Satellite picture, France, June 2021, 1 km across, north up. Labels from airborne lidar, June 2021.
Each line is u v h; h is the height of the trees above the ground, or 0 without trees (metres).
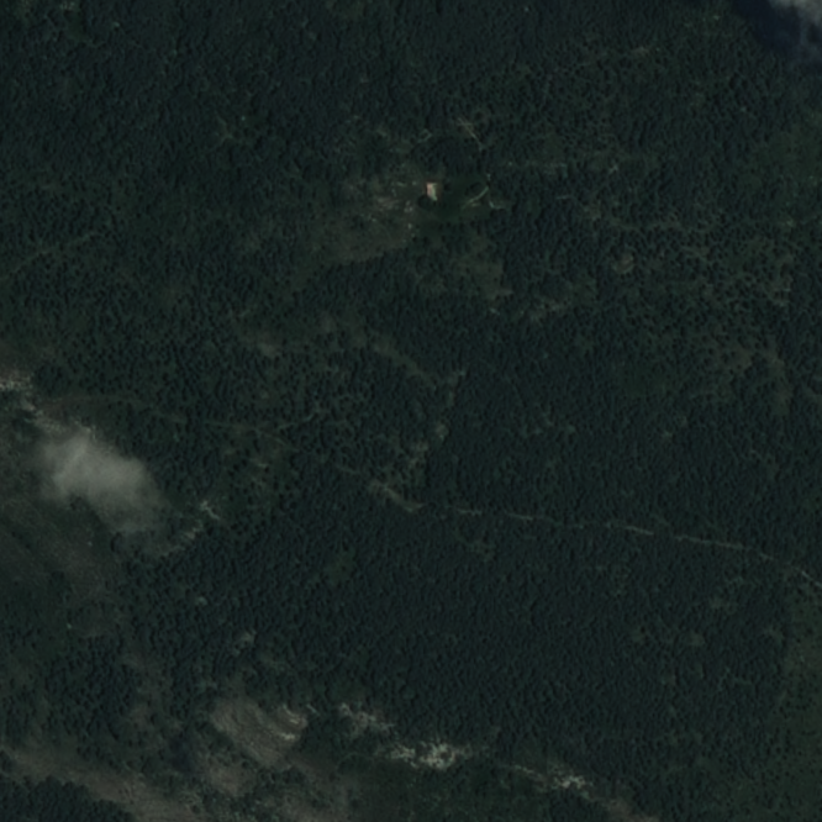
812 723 0
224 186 11
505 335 13
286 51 13
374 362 8
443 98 10
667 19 8
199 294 9
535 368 12
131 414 12
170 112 12
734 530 8
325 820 0
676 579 15
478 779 0
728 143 14
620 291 14
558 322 8
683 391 8
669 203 10
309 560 13
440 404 10
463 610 12
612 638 12
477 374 11
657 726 14
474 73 11
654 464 10
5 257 9
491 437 12
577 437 12
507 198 10
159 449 13
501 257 8
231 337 8
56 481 6
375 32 13
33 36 15
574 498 7
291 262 8
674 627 7
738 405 11
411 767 0
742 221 7
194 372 15
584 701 12
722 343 7
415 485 9
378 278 14
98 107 9
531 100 12
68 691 12
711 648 12
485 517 13
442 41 18
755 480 11
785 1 12
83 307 11
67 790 9
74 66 14
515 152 8
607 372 10
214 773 0
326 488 15
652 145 9
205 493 6
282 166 10
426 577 13
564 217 10
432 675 12
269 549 13
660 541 13
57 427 0
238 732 0
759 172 6
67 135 13
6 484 0
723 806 10
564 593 11
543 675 12
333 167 9
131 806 0
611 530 7
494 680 13
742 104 10
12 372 0
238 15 10
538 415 9
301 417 7
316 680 7
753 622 12
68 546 0
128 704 10
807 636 6
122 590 6
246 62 13
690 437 15
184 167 7
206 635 8
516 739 11
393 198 0
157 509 8
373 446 10
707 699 12
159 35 16
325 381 7
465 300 9
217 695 6
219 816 0
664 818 7
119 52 12
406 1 13
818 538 12
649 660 8
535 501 14
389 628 11
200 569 7
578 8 12
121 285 7
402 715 7
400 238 0
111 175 11
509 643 14
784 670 10
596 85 8
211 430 7
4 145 13
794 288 11
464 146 9
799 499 9
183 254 14
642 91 10
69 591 7
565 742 12
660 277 6
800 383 10
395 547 12
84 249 11
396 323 8
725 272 15
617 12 10
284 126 8
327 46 12
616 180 9
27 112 9
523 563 12
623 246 12
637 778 10
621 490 7
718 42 11
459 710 10
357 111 9
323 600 8
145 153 13
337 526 14
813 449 7
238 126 8
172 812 0
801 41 11
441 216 0
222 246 9
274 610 12
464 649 10
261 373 9
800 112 8
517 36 10
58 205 11
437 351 10
